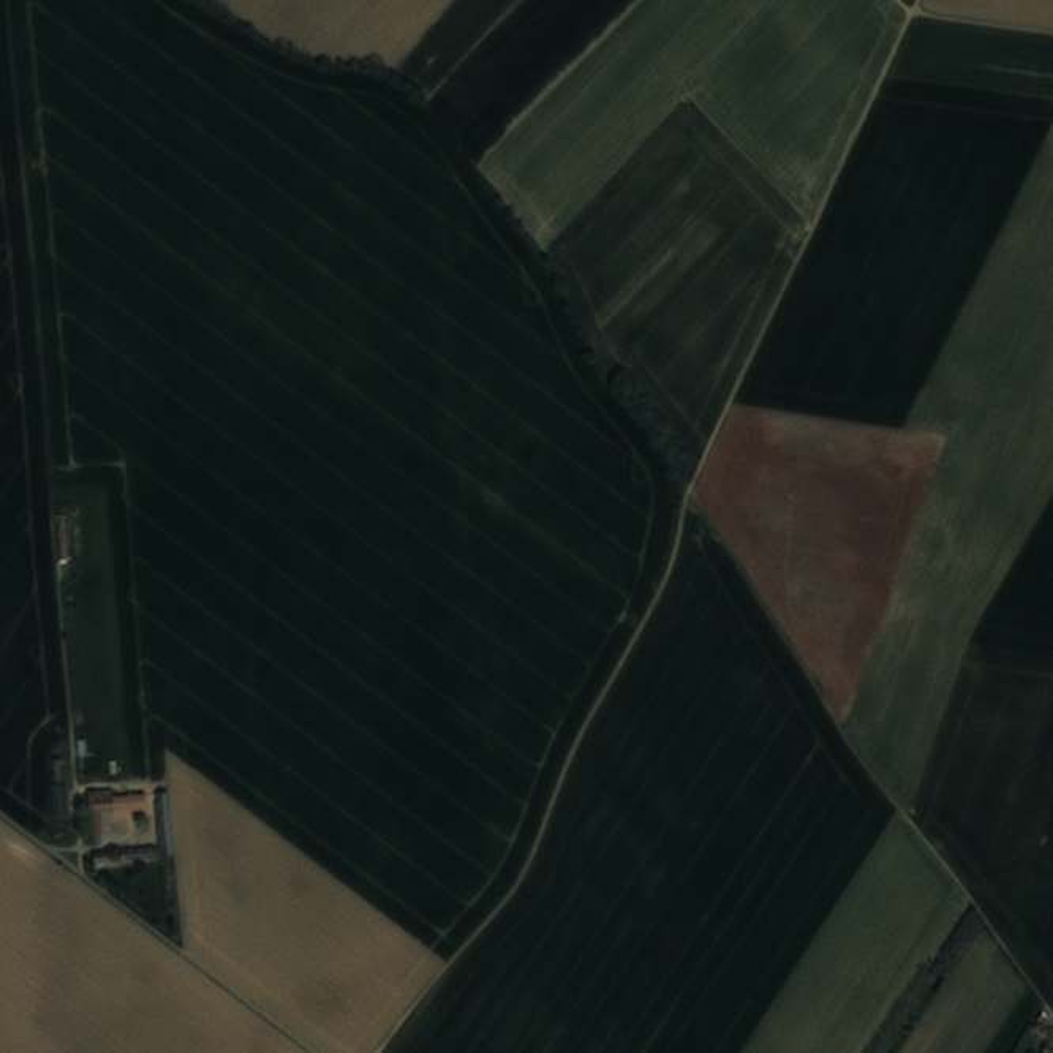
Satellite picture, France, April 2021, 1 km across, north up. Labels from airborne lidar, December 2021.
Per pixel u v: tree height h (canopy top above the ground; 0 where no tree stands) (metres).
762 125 0
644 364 0
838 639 0
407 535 0
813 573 0
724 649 0
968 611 0
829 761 0
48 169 0
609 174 0
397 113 0
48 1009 0
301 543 0
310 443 0
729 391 0
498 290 0
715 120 0
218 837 0
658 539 0
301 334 0
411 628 0
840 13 0
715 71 0
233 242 0
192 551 0
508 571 0
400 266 0
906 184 0
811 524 0
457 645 0
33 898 0
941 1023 0
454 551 0
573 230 0
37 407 0
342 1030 0
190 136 0
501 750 0
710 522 0
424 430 0
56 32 0
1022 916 0
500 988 0
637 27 0
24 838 0
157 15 0
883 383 0
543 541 0
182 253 0
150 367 0
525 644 0
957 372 0
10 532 0
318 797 0
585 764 0
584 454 0
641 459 0
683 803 0
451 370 0
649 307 0
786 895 0
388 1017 0
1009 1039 0
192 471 0
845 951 0
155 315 0
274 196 0
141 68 0
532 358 0
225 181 0
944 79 0
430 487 0
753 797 0
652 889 0
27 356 0
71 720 0
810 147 0
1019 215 0
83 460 0
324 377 0
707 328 0
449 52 0
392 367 0
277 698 0
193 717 0
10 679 0
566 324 0
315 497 0
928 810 0
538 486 0
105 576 0
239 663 0
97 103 0
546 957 0
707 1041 0
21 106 0
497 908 0
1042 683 0
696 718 0
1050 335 0
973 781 0
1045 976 0
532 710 0
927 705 0
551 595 0
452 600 0
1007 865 0
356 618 0
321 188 0
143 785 0
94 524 0
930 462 0
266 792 0
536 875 0
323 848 0
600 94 0
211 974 0
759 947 0
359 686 0
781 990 0
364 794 0
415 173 0
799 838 0
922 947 0
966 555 0
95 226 0
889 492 0
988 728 0
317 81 0
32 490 0
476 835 0
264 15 0
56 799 0
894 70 0
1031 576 0
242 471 0
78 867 0
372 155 0
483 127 0
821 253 0
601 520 0
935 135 0
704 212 0
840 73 0
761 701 0
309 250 0
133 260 0
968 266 0
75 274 0
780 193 0
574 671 0
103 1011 0
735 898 0
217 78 0
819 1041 0
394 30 0
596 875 0
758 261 0
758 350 0
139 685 0
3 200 0
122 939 0
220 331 0
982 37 0
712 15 0
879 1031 0
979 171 0
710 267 0
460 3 0
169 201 0
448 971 0
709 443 0
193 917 0
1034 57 0
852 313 0
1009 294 0
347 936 0
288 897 0
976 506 0
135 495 0
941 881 0
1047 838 0
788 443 0
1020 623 0
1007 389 0
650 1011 0
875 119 0
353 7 0
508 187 0
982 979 0
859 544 0
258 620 0
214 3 12
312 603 0
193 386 0
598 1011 0
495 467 0
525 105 0
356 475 0
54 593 0
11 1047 0
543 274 0
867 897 0
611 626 0
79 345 0
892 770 0
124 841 0
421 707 0
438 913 0
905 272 0
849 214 0
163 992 0
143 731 0
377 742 0
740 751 0
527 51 0
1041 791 0
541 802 0
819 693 0
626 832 0
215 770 0
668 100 0
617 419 0
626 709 0
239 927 0
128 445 0
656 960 0
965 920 9
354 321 0
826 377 0
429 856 0
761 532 0
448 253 0
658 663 0
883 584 0
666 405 0
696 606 0
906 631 0
